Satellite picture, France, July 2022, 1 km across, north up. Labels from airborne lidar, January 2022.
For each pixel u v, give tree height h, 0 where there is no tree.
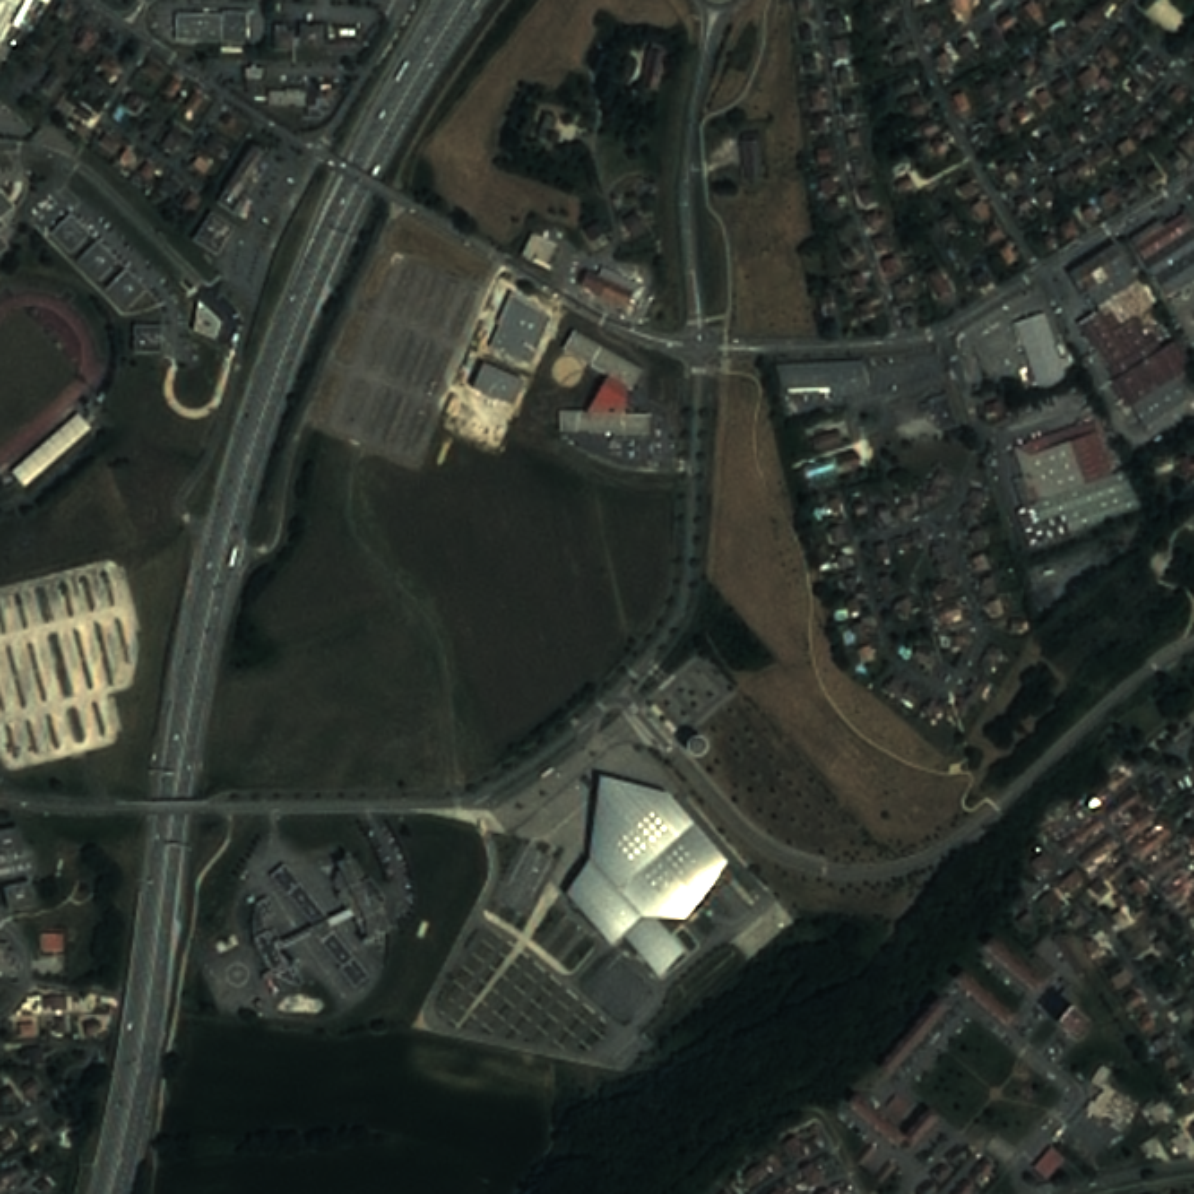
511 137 16
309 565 0
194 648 0
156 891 0
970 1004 0
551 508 0
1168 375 0
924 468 0
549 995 0
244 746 0
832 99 0
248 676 0
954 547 0
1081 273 0
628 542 0
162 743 0
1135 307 0
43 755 0
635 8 0
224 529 0
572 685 0
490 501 0
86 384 0
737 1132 14
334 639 0
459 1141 0
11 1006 0
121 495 0
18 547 0
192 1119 0
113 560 0
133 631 0
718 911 0
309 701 0
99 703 0
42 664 0
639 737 0
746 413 0
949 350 0
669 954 0
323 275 0
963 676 0
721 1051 16
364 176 0
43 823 0
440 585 0
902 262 0
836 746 0
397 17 0
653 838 0
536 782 0
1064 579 0
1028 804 10
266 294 0
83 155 0
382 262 0
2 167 0
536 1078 0
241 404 0
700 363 0
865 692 0
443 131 0
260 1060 0
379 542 0
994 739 12
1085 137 0
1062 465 0
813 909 0
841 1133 0
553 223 0
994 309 0
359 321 0
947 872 14
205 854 0
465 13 0
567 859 0
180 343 0
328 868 0
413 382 0
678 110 0
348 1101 0
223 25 0
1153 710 0
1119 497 0
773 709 0
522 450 0
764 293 0
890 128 14
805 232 0
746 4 0
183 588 0
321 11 0
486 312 0
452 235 0
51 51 0
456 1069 0
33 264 0
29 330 0
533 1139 0
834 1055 20
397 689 0
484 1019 0
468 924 0
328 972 0
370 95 0
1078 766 11
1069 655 0
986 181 0
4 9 0
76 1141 11
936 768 0
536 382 0
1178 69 0
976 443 14
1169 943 10
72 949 0
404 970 0
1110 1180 0
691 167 0
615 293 0
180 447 0
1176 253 0
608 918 0
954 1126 0
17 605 0
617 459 0
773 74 0
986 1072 0
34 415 0
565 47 0
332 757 0
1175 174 0
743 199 0
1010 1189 0
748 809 0
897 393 0
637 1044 0
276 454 6
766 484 0
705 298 0
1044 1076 0
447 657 0
